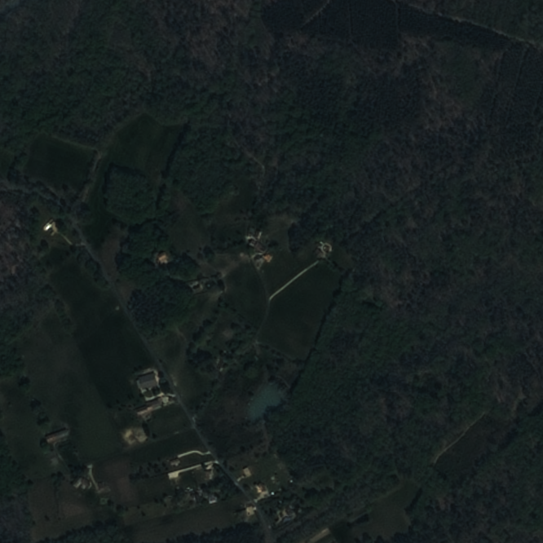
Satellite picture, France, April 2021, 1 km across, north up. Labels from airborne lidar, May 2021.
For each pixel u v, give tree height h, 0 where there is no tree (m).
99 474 0
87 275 0
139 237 23
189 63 24
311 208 12
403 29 15
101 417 0
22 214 10
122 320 0
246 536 21
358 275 14
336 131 17
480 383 17
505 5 10
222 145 14
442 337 17
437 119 13
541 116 9
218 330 0
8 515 14
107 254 0
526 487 17
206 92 26
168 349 0
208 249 0
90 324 0
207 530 0
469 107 13
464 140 16
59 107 13
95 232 0
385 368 15
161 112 21
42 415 16
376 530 0
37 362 0
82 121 11
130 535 0
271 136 17
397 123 24
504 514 16
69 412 0
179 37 9
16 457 0
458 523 20
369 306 14
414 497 0
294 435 16
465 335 11
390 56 12
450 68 16
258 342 0
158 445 0
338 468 20
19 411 0
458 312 27
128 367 0
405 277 14
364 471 19
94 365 0
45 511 0
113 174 20
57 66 15
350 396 14
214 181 14
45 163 0
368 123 24
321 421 17
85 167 0
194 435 0
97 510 0
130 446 8
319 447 18
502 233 13
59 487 9
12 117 24
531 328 16
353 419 17
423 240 19
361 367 15
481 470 18
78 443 0
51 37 16
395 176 14
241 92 17
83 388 0
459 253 20
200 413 11
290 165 20
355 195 15
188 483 0
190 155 20
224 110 26
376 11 13
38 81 19
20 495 9
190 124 10
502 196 11
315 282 0
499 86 9
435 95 13
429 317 24
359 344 13
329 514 10
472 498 12
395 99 22
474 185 18
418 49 14
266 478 0
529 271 18
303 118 13
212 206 19
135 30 19
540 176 17
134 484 13
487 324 17
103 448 0
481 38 13
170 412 0
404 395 12
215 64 14
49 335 0
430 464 21
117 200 20
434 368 19
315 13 11
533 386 22
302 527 7
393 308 14
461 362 17
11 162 0
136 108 14
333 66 23
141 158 0
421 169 18
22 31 13
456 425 23
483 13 7
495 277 26
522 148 11
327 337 14
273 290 0
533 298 20
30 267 16
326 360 14
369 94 20
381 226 23
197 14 17
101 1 25
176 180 19
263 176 14
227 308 9
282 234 0
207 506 6
